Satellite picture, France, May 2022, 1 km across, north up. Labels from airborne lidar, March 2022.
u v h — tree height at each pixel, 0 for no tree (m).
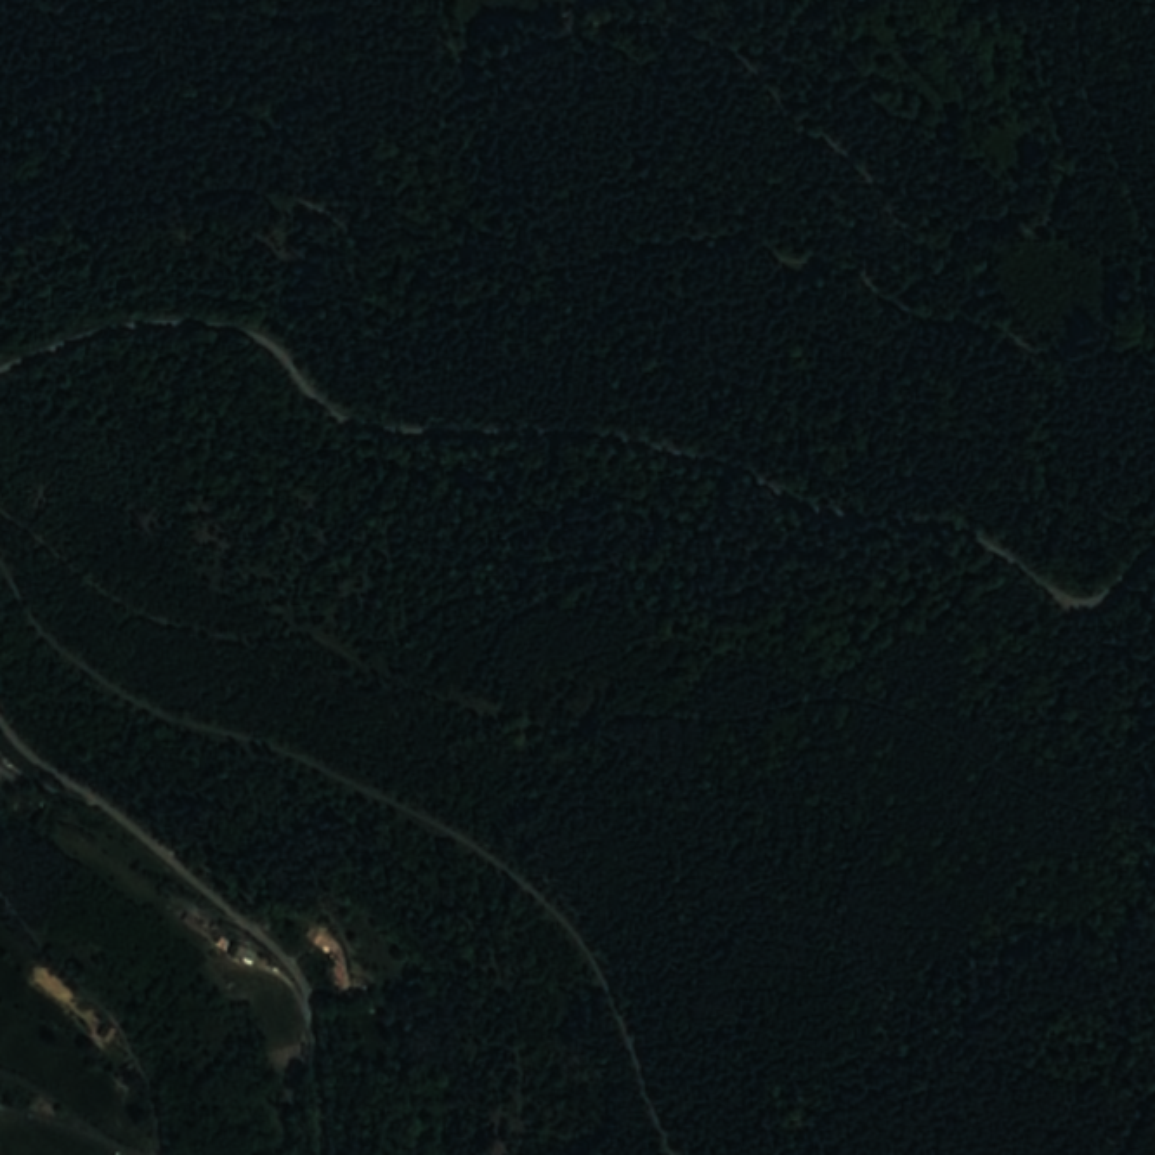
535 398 24
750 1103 20
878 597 25
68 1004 0
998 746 23
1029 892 16
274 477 12
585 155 28
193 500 15
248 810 10
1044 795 19
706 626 16
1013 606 20
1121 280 29
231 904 15
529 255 31
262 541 16
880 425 28
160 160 34
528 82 36
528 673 20
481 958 15
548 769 12
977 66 29
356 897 13
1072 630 18
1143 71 19
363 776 10
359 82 31
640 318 32
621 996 14
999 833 21
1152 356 21
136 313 13
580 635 22
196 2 33
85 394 13
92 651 11
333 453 16
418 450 20
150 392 9
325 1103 26
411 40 36
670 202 25
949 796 25
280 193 29
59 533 9
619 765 22
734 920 17
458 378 23
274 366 17
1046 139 21
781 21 35
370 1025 0
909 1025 22
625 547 25
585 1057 21
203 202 32
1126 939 31
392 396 26
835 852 17
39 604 12
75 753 14
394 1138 18
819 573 30
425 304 17
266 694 11
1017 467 28
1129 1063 26
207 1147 18
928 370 32
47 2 30
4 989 0
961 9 24
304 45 33
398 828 8
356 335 32
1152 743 23
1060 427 28
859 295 27
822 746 19
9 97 33
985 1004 34
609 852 19
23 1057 0
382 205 29
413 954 12
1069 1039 27
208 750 9
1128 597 17
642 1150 24
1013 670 20
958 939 19
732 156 26
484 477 21
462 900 24
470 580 16
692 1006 24
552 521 26
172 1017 8
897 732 22
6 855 23
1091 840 20
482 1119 11
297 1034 0
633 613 20
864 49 28
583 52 20
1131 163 26
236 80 31
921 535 31
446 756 13
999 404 28
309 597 12
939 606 15
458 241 11
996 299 30
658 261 31
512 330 23
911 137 30
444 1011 26
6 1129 0
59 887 22
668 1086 20
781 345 31
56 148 33
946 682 23
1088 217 19
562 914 8
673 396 21
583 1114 10
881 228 29
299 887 24
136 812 11
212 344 14
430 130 24
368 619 11
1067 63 26
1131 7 20
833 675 19
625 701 12
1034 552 23
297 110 35
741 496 32
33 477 9
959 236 23
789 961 17
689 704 13
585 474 15
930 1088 24
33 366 14
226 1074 17
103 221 34
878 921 18
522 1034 11
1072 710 20
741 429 32
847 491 29
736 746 20
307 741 10
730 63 34
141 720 11
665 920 27
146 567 13
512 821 29
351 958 0
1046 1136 30
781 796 20
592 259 25
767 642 14
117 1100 0
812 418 28
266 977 0
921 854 20
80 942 9
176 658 8
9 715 14
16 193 35
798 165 28
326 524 17
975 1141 26
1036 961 28
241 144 34
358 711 15
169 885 9
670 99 30
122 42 33
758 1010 19
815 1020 17
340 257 28
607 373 21
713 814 22
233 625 9
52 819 7
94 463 11
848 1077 21
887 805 18
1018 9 30
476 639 15
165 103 33
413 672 13
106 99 34
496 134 30
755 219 25
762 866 23
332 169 37
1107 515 20
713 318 27
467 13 0
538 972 6
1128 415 27
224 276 11
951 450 25
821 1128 20
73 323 11
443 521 19
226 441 11
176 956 9
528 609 24
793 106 30
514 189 29
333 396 26
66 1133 0
